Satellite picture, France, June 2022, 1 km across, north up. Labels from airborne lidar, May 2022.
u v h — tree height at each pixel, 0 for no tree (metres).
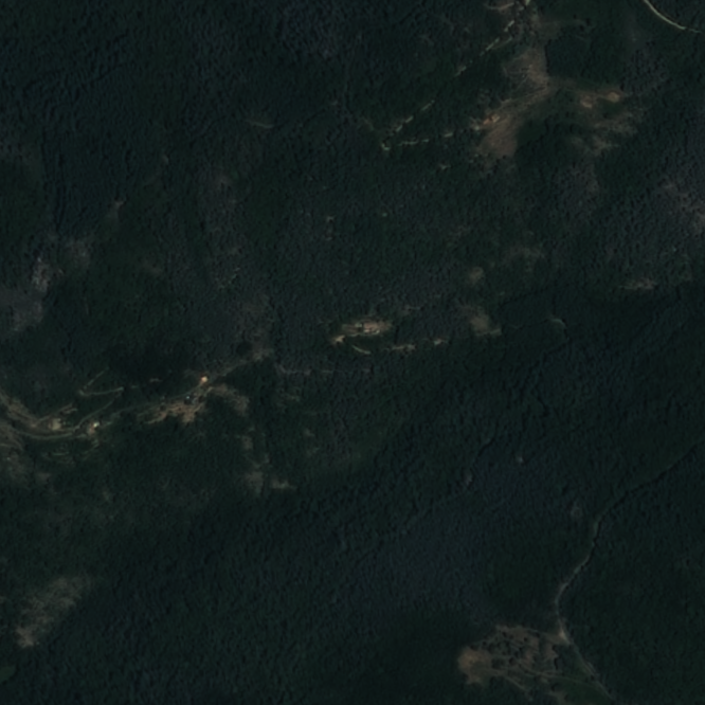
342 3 11
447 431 11
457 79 8
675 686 17
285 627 20
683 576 11
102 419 12
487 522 18
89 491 12
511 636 7
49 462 7
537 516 17
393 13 17
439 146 10
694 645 16
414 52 12
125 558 17
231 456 10
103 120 27
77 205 19
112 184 18
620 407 22
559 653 14
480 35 6
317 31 16
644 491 13
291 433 8
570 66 19
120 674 19
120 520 14
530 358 20
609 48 13
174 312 21
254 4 16
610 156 11
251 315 12
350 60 11
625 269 14
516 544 21
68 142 23
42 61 22
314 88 17
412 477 16
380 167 14
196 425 12
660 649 12
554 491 17
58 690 21
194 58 19
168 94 21
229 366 6
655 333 28
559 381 21
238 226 10
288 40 6
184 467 10
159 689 18
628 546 13
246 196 16
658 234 12
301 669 14
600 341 28
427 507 13
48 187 10
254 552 14
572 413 19
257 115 12
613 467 13
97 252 13
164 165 12
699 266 12
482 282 9
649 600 11
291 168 15
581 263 21
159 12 22
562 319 14
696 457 19
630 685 8
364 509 11
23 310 0
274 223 13
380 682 12
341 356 8
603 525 13
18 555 10
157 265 9
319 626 21
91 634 16
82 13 20
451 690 11
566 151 8
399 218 11
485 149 0
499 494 13
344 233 16
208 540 23
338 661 10
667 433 19
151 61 24
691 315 20
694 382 18
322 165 17
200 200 15
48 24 21
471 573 13
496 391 29
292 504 27
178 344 14
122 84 28
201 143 12
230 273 10
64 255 8
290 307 16
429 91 12
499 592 9
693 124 17
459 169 18
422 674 9
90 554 6
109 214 16
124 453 10
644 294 8
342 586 15
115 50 29
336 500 15
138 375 16
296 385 17
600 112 0
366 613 17
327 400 11
